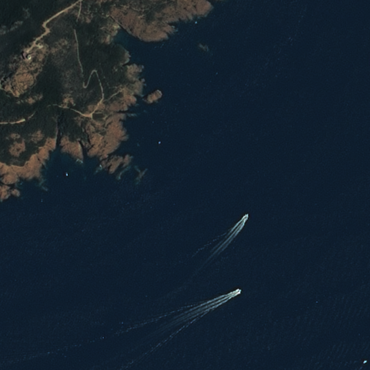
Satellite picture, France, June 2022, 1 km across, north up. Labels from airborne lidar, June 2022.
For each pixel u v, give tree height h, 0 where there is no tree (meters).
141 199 0
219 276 0
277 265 0
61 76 7
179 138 0
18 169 0
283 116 0
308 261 0
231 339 0
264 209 0
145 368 0
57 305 0
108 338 0
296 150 0
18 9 6
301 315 0
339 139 0
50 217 0
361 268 0
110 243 0
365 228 0
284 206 0
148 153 0
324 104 0
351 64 0
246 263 0
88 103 6
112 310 0
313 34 0
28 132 7
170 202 0
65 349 0
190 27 0
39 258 0
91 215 0
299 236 0
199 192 0
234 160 0
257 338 0
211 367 0
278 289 0
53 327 0
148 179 0
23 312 0
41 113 14
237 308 0
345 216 0
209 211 0
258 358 0
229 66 0
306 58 0
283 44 0
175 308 0
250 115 0
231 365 0
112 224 0
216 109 0
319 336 0
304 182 0
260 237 0
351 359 0
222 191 0
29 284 0
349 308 0
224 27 0
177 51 0
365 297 0
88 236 0
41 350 0
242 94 0
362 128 0
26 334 0
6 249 0
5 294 0
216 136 0
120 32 0
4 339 0
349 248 0
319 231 0
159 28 0
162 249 0
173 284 0
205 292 0
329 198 0
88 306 0
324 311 0
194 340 0
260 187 0
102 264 0
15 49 6
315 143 0
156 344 0
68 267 0
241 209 0
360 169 0
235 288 0
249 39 0
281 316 0
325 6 0
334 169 0
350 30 0
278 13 0
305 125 0
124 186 0
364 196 0
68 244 0
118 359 0
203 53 0
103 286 0
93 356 0
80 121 0
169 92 0
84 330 0
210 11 0
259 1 0
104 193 0
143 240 0
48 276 0
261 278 0
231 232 0
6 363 0
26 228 0
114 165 0
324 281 0
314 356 0
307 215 0
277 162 0
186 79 0
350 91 0
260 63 0
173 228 0
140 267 0
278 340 0
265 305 0
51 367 0
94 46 10
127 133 0
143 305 0
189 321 0
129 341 0
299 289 0
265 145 0
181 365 0
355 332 0
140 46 0
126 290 0
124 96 0
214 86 0
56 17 0
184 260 0
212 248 0
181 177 0
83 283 0
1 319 0
